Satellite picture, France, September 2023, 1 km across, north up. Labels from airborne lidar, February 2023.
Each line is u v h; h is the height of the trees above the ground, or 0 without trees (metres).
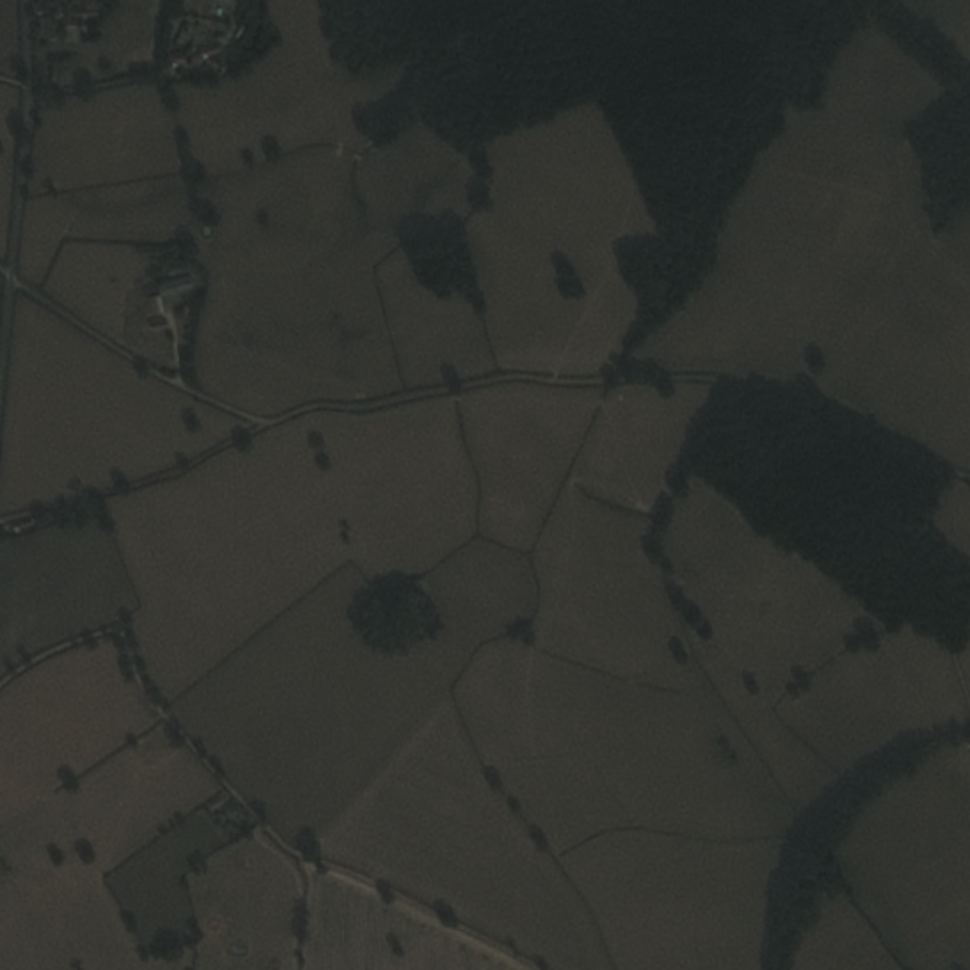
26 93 0
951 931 0
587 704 0
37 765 0
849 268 0
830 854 22
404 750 0
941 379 0
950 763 0
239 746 0
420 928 0
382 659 0
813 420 22
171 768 0
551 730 0
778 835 0
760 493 23
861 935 0
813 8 21
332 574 0
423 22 18
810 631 0
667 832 0
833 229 0
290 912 0
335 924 0
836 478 22
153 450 0
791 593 0
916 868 0
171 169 0
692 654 0
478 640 0
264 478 0
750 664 0
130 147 0
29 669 0
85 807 0
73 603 0
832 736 0
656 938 0
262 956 0
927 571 20
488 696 0
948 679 0
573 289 18
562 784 0
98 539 0
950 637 18
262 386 0
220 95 0
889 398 0
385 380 0
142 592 0
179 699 0
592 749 0
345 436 0
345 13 12
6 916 0
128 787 0
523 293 0
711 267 11
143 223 0
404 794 0
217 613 0
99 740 0
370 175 0
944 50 25
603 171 0
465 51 21
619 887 0
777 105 17
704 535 0
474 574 0
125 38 0
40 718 0
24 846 0
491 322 0
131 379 0
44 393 0
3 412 0
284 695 0
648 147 18
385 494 0
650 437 0
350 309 0
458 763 0
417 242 26
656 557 11
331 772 0
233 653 0
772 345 0
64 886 0
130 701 0
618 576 0
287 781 0
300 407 0
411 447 0
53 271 0
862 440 21
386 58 17
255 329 0
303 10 0
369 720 0
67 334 0
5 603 0
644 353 0
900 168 0
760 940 0
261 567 0
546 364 0
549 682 0
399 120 21
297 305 0
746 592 0
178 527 0
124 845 0
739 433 26
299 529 0
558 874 0
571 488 0
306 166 0
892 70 0
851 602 0
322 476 0
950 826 0
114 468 0
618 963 0
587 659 0
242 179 0
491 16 23
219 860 0
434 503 0
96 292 0
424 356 0
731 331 0
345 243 0
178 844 0
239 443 15
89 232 0
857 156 0
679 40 23
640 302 12
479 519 0
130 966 0
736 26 22
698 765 0
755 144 16
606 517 0
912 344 0
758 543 0
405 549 0
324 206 0
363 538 0
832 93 0
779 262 0
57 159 0
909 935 0
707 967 0
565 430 0
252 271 0
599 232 0
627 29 23
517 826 0
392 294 0
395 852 0
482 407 0
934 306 0
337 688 0
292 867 0
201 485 0
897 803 0
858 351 0
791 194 0
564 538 0
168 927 0
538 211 0
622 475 0
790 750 0
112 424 0
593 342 0
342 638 0
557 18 19
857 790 16
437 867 0
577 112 0
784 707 0
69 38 0
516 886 0
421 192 0
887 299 0
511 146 0
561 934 0
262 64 0
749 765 0
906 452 19
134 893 0
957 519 0
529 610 0
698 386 0
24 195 10
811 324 0
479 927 0
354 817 0
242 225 0
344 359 0
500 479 0
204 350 0
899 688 0
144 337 0
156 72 12
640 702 0
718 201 16
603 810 0
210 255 0
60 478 0
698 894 0
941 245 0
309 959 0
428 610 18
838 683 0
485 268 0
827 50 17
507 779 0
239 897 0
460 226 15
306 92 0
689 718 0
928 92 0
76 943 0
